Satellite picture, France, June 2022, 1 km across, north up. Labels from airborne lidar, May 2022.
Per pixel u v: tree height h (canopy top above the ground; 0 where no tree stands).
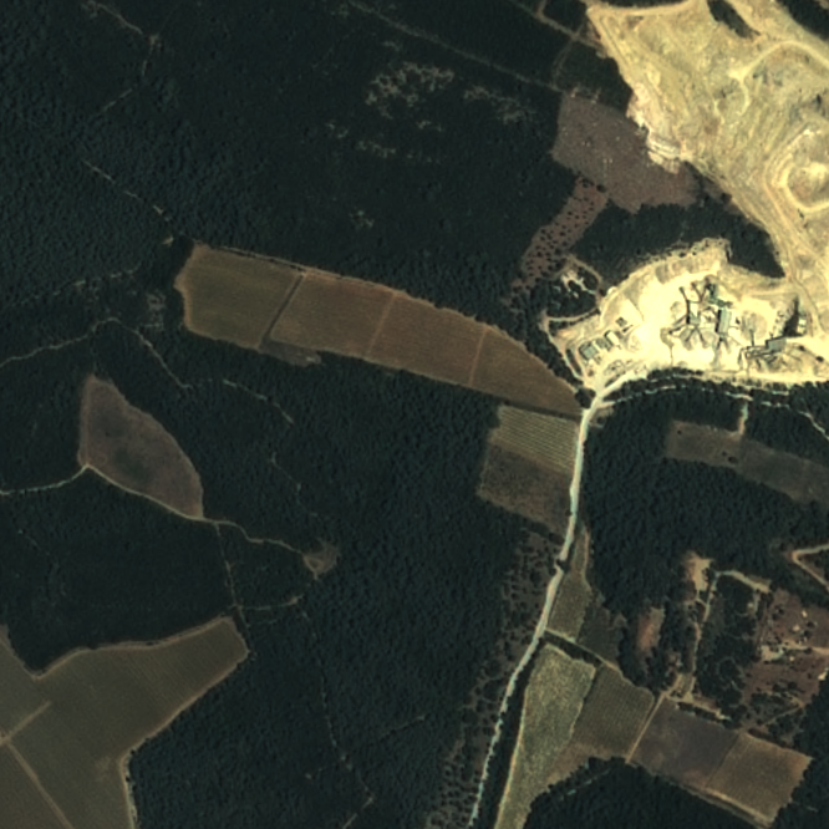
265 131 7
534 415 0
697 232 5
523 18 9
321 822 8
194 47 7
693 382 9
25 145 16
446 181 6
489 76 6
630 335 0
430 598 19
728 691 8
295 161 6
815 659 0
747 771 0
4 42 19
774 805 0
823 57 0
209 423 9
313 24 6
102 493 16
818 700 8
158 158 10
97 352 9
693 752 0
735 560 19
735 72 0
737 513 21
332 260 6
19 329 6
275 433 8
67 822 0
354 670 15
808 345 0
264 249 7
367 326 0
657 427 16
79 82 8
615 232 7
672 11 0
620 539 18
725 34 0
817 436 9
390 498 7
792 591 7
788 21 0
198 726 9
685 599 19
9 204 14
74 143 13
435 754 15
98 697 0
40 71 7
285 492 13
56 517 14
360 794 11
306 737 8
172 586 8
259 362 18
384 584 20
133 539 7
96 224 15
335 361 8
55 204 15
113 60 6
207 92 7
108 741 0
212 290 0
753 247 6
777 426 11
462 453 18
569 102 0
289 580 7
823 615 0
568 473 0
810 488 0
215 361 13
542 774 0
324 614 14
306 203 8
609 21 0
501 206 7
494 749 9
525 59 6
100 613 7
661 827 10
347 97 6
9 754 0
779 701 9
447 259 13
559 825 7
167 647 0
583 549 0
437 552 12
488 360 0
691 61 0
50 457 6
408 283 14
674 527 11
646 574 8
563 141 0
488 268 17
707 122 0
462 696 7
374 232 6
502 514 7
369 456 12
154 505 8
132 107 5
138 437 0
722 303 0
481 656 20
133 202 14
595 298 11
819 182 0
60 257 16
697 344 0
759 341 0
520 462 0
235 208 17
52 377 7
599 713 0
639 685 18
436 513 14
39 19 7
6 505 6
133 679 0
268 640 8
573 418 0
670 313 0
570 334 0
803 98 0
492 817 10
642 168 0
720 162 0
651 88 0
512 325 15
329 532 18
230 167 11
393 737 16
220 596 6
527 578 6
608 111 0
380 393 14
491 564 14
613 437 11
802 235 0
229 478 12
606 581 6
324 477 7
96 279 18
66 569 6
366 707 18
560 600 0
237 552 10
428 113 6
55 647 7
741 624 7
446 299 14
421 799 17
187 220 18
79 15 6
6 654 0
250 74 6
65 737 0
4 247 11
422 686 16
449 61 6
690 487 20
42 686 0
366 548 6
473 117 7
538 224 6
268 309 0
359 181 7
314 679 6
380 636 16
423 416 19
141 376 8
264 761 7
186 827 14
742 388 11
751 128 0
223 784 13
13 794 0
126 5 7
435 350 0
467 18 9
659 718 0
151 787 16
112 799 0
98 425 0
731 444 0
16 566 6
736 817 8
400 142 6
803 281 0
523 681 12
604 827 7
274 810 6
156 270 12
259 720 8
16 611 6
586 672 0
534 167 6
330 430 13
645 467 18
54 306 7
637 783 8
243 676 8
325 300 0
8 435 6
